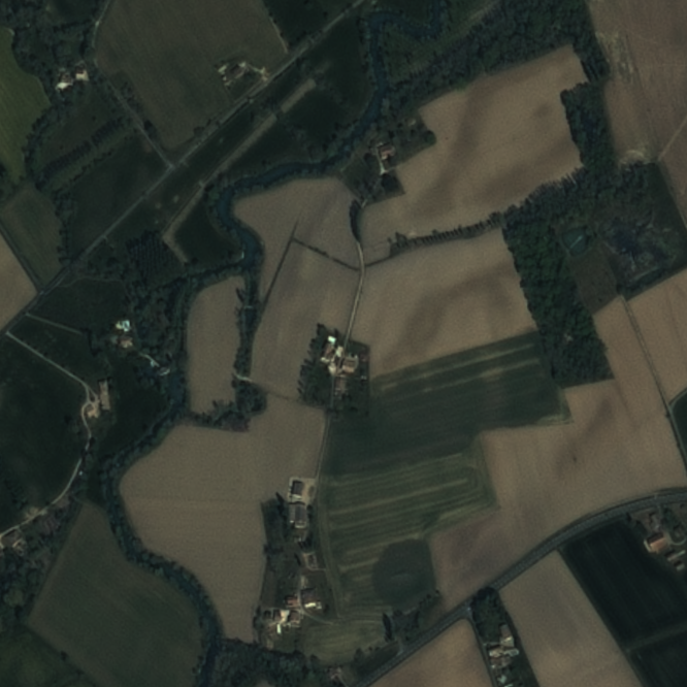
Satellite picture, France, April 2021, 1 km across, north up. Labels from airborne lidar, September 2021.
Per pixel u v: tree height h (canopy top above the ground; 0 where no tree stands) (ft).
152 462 0
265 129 0
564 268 93
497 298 0
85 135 0
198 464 0
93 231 0
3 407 0
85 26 36
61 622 0
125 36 0
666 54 0
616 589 0
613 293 27
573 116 40
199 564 0
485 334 0
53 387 0
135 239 0
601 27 0
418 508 0
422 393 0
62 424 0
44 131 54
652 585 0
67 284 0
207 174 0
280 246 0
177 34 0
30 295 0
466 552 0
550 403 0
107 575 0
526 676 0
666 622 0
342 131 51
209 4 0
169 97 0
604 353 54
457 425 0
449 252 0
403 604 0
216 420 50
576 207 93
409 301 0
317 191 0
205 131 36
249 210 0
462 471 0
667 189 0
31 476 0
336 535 0
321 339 25
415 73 54
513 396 0
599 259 0
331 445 0
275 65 0
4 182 86
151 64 0
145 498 0
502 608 45
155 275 100
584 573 0
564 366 56
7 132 0
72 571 0
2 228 0
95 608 0
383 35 35
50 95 40
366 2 0
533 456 0
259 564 0
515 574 0
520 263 63
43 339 0
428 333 0
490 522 0
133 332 40
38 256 0
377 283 0
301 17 0
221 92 0
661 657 0
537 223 73
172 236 0
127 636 0
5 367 0
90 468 59
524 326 0
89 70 51
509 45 69
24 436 0
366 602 0
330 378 39
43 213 0
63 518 45
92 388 0
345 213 0
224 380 0
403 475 0
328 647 0
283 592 0
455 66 69
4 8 78
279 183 21
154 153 0
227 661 98
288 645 0
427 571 0
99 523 0
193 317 0
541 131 0
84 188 0
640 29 0
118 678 0
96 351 42
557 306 31
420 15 0
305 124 0
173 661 0
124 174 0
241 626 0
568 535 0
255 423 0
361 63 0
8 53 0
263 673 83
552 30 85
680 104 0
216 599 0
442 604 0
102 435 35
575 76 0
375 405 0
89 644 0
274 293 0
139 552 60
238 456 0
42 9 31
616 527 0
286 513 48
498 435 0
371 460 0
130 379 0
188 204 0
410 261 0
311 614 0
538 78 0
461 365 0
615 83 0
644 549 0
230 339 0
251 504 0
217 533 0
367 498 0
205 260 0
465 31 58
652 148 0
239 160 0
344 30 0
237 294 0
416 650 0
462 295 0
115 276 43
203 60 0
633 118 0
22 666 0
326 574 0
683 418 0
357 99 0
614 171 68
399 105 63
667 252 0
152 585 0
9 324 0
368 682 0
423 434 0
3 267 0
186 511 0
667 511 28
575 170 0
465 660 0
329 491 0
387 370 0
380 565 0
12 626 58
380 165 59
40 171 54
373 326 0
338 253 0
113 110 75
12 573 63
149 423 0
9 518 0
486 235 0
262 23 0
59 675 0
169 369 49
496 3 60
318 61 0
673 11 0
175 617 0
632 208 67
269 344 0
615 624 0
